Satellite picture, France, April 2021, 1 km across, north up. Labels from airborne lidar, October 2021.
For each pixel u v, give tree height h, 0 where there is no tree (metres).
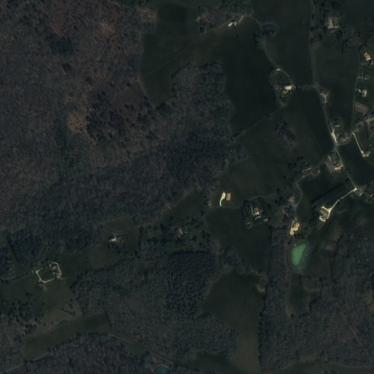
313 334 22
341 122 0
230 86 0
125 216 23
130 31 14
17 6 14
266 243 0
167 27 0
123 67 11
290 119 0
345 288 12
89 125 17
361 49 7
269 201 0
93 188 9
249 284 0
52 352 20
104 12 6
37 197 20
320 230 0
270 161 0
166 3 0
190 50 0
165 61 0
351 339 21
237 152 14
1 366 22
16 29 15
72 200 19
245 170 0
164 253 26
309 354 22
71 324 0
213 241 18
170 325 21
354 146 0
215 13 15
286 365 20
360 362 14
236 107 0
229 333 21
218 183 17
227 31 0
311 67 0
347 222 0
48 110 13
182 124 14
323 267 9
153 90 0
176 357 18
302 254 0
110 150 16
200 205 0
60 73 18
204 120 27
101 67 14
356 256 15
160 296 21
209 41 0
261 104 0
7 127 13
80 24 12
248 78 0
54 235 20
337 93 0
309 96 0
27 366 21
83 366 11
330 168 0
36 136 18
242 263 18
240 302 0
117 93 11
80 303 7
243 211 7
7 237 6
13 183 13
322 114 0
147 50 0
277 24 0
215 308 0
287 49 0
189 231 7
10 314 10
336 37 0
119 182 13
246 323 0
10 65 13
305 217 0
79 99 20
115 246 10
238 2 14
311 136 0
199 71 15
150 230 11
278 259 10
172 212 0
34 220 25
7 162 12
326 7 14
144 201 19
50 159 25
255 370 0
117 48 7
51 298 0
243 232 0
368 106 0
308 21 0
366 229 11
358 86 6
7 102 9
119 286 21
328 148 0
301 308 10
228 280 0
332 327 27
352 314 23
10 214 14
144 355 0
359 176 0
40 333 0
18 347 20
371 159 0
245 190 0
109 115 28
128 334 19
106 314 22
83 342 19
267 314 21
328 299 20
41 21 12
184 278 16
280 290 21
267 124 0
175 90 18
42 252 9
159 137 24
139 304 26
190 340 23
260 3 0
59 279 8
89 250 8
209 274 21
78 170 17
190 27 0
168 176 14
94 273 14
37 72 16
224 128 23
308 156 0
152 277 25
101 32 12
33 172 19
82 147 20
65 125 16
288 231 13
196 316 22
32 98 11
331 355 28
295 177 6
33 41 14
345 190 0
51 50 16
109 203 23
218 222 0
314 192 0
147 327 20
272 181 0
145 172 11
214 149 25
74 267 0
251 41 0
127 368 18
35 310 0
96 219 24
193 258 21
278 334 21
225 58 0
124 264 14
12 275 7
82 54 16
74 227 20
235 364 0
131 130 15
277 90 0
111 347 23
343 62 0
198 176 13
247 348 0
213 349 26
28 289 0
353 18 0
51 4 10
